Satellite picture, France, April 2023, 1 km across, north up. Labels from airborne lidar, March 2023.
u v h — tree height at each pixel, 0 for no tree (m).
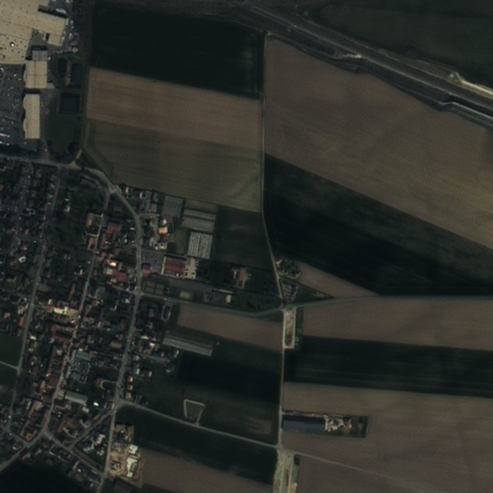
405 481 0
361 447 0
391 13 0
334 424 0
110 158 0
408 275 0
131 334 0
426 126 0
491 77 0
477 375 0
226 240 0
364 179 0
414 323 0
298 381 0
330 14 0
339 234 0
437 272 0
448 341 0
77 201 0
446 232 0
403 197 0
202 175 0
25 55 0
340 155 0
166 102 0
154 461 0
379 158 0
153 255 0
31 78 0
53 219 14
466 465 0
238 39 0
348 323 0
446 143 0
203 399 0
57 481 0
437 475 0
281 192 0
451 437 0
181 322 0
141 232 0
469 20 0
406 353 0
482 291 0
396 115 0
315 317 0
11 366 0
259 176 0
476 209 0
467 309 0
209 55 0
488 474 0
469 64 0
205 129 0
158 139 0
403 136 0
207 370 0
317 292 0
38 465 0
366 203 0
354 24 0
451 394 0
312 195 0
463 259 0
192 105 0
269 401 0
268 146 0
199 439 0
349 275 0
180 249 0
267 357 0
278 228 0
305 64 0
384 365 0
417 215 0
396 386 0
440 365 0
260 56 0
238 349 0
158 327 0
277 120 0
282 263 0
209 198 0
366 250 0
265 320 0
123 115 0
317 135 0
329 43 0
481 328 0
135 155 0
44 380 0
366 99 0
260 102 0
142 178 0
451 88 0
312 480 0
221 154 0
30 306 0
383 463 0
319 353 0
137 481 0
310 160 0
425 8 0
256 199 0
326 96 0
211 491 0
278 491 0
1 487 0
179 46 0
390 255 0
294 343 0
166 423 0
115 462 0
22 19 0
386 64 0
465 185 0
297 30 0
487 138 0
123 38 0
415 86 0
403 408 0
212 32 0
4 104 0
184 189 0
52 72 0
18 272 0
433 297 0
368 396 0
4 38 0
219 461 0
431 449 0
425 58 0
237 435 0
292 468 0
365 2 0
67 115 0
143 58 0
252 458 0
